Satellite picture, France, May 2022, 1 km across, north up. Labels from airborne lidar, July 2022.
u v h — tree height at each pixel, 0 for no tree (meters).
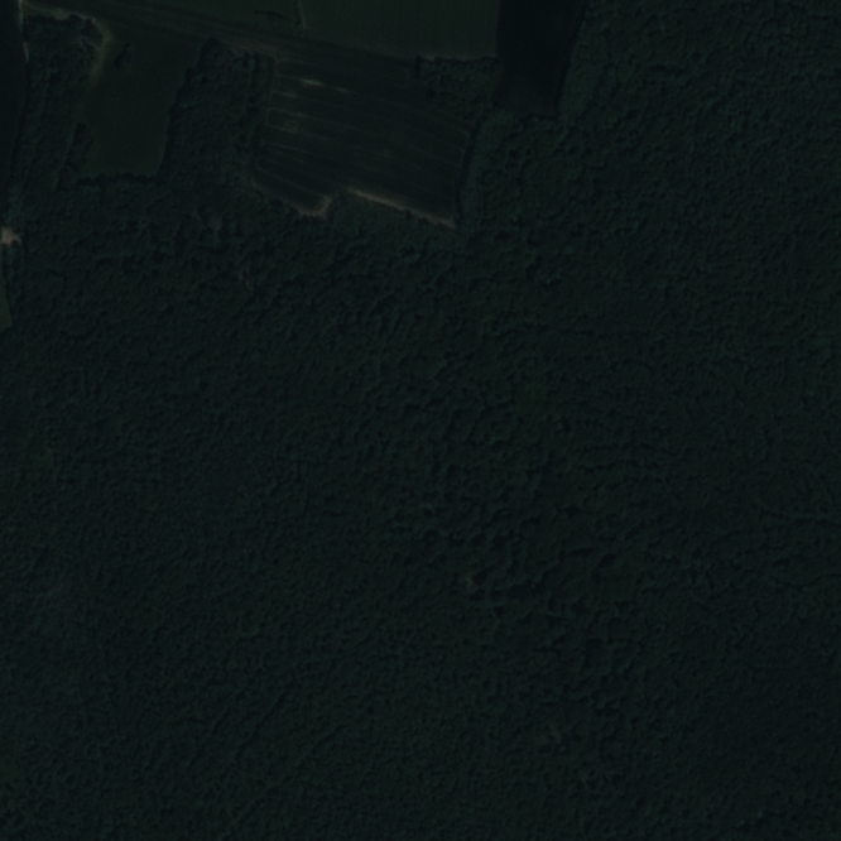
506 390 25
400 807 11
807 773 24
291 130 0
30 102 14
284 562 17
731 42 20
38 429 9
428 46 0
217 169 24
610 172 25
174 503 11
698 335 15
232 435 13
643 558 22
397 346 19
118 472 18
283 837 11
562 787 12
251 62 9
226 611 14
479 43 0
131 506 17
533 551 31
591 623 28
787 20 19
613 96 23
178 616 14
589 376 20
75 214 24
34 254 22
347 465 16
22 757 16
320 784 12
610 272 16
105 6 0
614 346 20
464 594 19
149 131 0
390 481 19
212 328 18
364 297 29
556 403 25
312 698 15
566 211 25
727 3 20
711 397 24
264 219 24
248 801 12
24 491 12
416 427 24
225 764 12
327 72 0
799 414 21
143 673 15
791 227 18
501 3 0
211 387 19
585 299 20
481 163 20
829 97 18
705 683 23
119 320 17
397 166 0
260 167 0
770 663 24
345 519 18
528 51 0
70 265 25
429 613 19
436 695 17
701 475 19
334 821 9
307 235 23
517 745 16
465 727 12
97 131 0
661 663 27
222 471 15
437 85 18
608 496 23
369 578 18
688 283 16
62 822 17
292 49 0
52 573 17
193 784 13
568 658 28
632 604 18
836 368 22
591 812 16
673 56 24
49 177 24
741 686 24
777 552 18
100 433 21
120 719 14
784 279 18
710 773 25
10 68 0
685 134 21
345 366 18
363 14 0
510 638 16
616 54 25
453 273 22
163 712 14
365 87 0
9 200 21
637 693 24
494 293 24
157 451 8
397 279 23
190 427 12
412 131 0
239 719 12
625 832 15
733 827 18
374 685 15
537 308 27
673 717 23
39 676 20
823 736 24
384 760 13
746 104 19
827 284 16
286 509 11
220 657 14
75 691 17
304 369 18
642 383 21
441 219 0
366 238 29
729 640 20
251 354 20
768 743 24
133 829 17
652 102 24
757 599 23
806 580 19
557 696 18
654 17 20
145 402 18
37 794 13
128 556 13
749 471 22
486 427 23
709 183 18
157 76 0
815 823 27
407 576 17
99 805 15
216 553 14
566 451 21
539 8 0
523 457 25
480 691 18
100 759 15
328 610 15
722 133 20
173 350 19
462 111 18
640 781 21
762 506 8
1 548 11
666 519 20
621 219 19
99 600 17
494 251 27
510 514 25
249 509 12
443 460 24
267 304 23
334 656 12
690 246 18
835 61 20
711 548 23
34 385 18
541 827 12
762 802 20
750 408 25
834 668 26
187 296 16
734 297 16
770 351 21
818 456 20
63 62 25
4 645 19
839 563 19
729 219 16
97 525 13
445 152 0
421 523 20
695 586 21
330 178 0
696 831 18
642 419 21
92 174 0
